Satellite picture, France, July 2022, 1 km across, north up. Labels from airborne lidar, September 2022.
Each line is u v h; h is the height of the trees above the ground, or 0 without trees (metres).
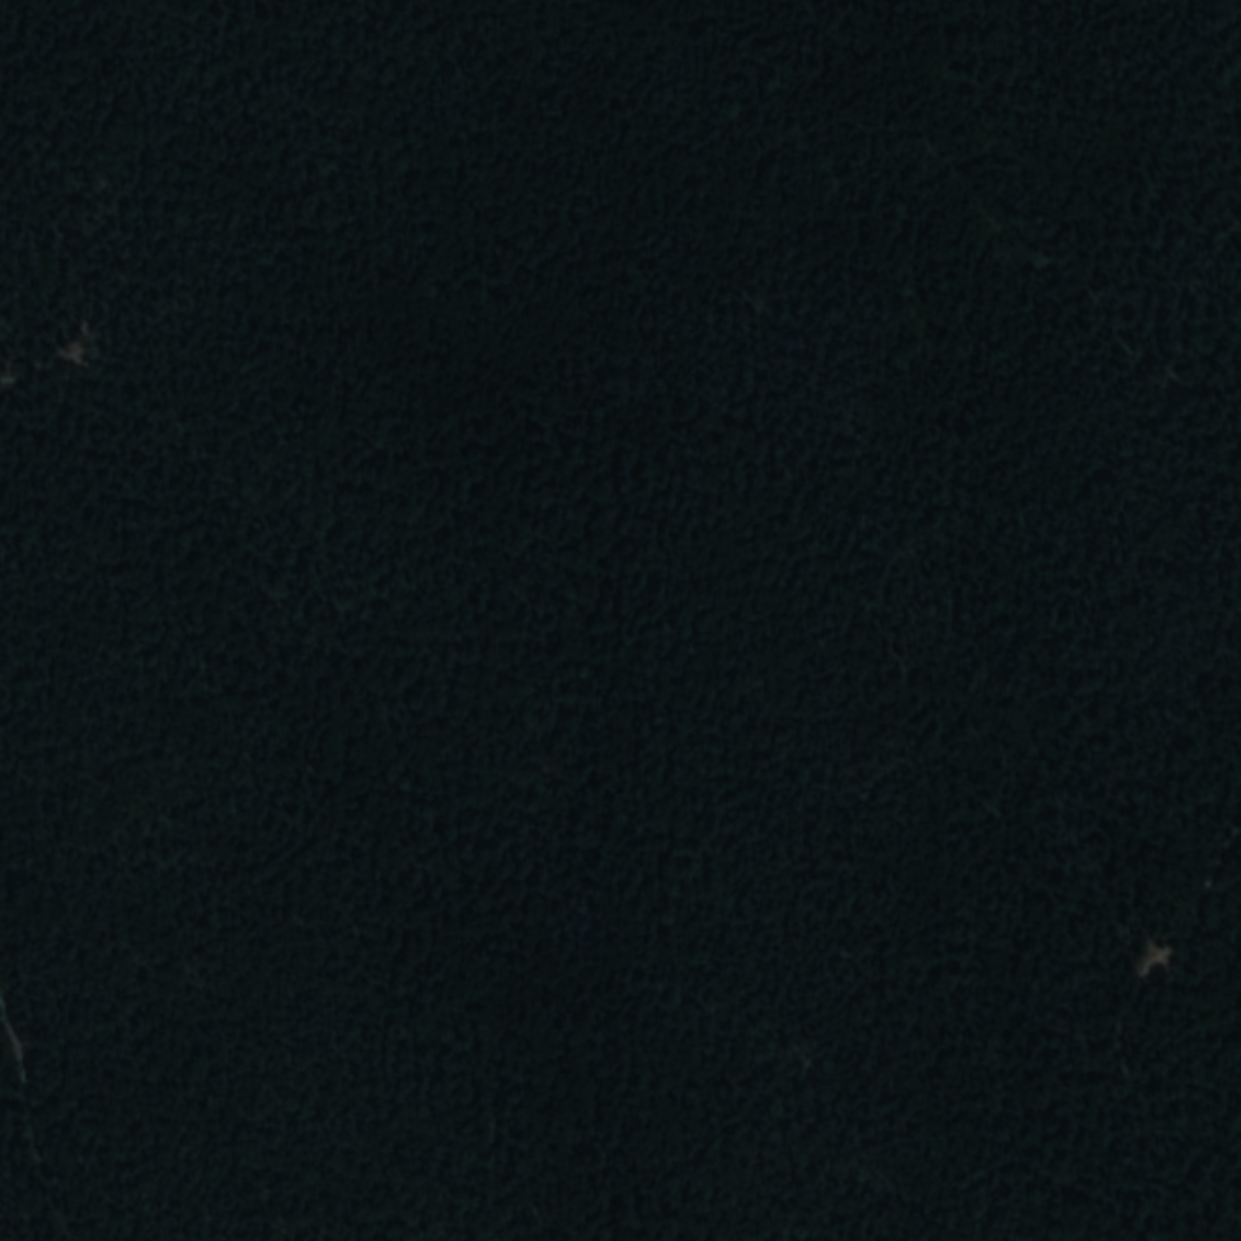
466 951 20
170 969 12
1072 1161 20
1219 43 20
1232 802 11
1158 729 6
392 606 16
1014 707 17
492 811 20
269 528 17
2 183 16
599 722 22
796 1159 19
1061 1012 22
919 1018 10
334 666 21
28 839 8
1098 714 22
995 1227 14
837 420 21
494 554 20
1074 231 15
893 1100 16
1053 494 8
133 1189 15
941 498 20
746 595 19
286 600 21
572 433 17
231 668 20
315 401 18
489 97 15
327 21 10
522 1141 23
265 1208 14
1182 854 16
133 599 19
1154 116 19
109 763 6
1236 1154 23
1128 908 27
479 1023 21
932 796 10
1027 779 7
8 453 18
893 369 12
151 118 19
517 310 20
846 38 14
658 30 15
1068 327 23
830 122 10
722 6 16
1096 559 24
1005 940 16
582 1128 20
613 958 26
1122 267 15
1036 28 14
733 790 20
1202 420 20
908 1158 16
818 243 17
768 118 16
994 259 7
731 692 18
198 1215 16
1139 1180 21
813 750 11
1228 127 18
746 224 17
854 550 19
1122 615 21
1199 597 29
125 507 16
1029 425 12
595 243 22
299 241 11
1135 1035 12
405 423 18
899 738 11
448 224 20
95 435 16
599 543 25
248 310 18
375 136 19
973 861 8
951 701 7
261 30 13
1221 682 18
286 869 15
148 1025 7
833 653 15
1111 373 18
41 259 17
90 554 16
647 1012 21
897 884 19
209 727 13
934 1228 18
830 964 12
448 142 25
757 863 15
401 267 16
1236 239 10
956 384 12
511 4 16
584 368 23
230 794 16
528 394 22
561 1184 16
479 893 24
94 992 10
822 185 14
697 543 19
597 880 11
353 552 12
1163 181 7
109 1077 16
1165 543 21
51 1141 17
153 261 8
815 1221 16
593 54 20
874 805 20
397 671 20
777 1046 17
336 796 20
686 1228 20
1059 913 21
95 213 16
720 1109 19
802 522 17
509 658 16
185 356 14
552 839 18
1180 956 10
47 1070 18
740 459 18
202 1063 13
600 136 12
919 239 23
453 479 19
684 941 11
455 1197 18
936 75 12
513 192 17
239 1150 17
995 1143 20
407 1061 14
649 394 22
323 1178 13
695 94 18
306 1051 20
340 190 14
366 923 19
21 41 15
